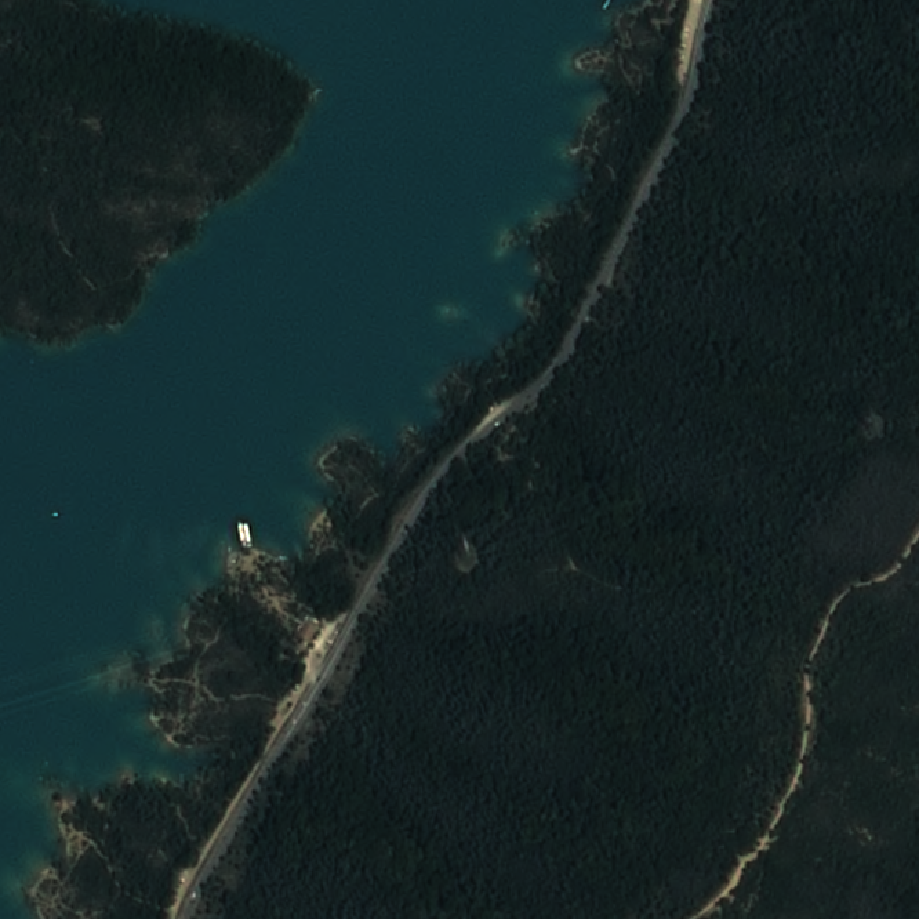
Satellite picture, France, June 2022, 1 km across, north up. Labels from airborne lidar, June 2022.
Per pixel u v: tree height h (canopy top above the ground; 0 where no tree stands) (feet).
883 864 32
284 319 0
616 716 42
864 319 47
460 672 60
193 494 0
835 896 25
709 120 24
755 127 29
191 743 25
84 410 0
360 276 0
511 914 40
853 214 60
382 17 0
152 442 0
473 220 0
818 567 27
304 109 33
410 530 59
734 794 27
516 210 0
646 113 38
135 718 0
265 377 0
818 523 37
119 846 25
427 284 0
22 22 27
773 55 59
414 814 41
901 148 30
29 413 0
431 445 33
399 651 47
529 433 21
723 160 26
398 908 43
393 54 0
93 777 0
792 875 27
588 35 0
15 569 0
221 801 23
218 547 0
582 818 52
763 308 22
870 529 29
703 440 45
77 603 0
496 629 19
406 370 0
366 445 27
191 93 27
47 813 0
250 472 0
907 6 47
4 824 0
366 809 60
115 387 0
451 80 0
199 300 0
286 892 60
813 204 38
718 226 27
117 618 0
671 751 58
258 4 0
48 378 0
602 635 35
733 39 56
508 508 39
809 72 53
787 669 18
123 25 42
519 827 44
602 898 31
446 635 36
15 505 0
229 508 0
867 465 32
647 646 22
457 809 51
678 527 52
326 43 0
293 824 43
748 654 47
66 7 22
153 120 28
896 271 28
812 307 32
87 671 0
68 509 0
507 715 45
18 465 0
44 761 0
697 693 33
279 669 27
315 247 0
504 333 0
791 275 27
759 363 41
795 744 21
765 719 23
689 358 21
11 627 0
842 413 32
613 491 103
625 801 27
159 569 0
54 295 22
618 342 40
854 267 50
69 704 0
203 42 64
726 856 32
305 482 0
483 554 53
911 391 26
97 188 36
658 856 29
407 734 39
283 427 0
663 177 33
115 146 22
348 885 38
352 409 0
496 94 0
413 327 0
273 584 43
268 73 31
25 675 0
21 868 0
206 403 0
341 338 0
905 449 38
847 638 19
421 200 0
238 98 33
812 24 36
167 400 0
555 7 0
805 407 26
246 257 0
